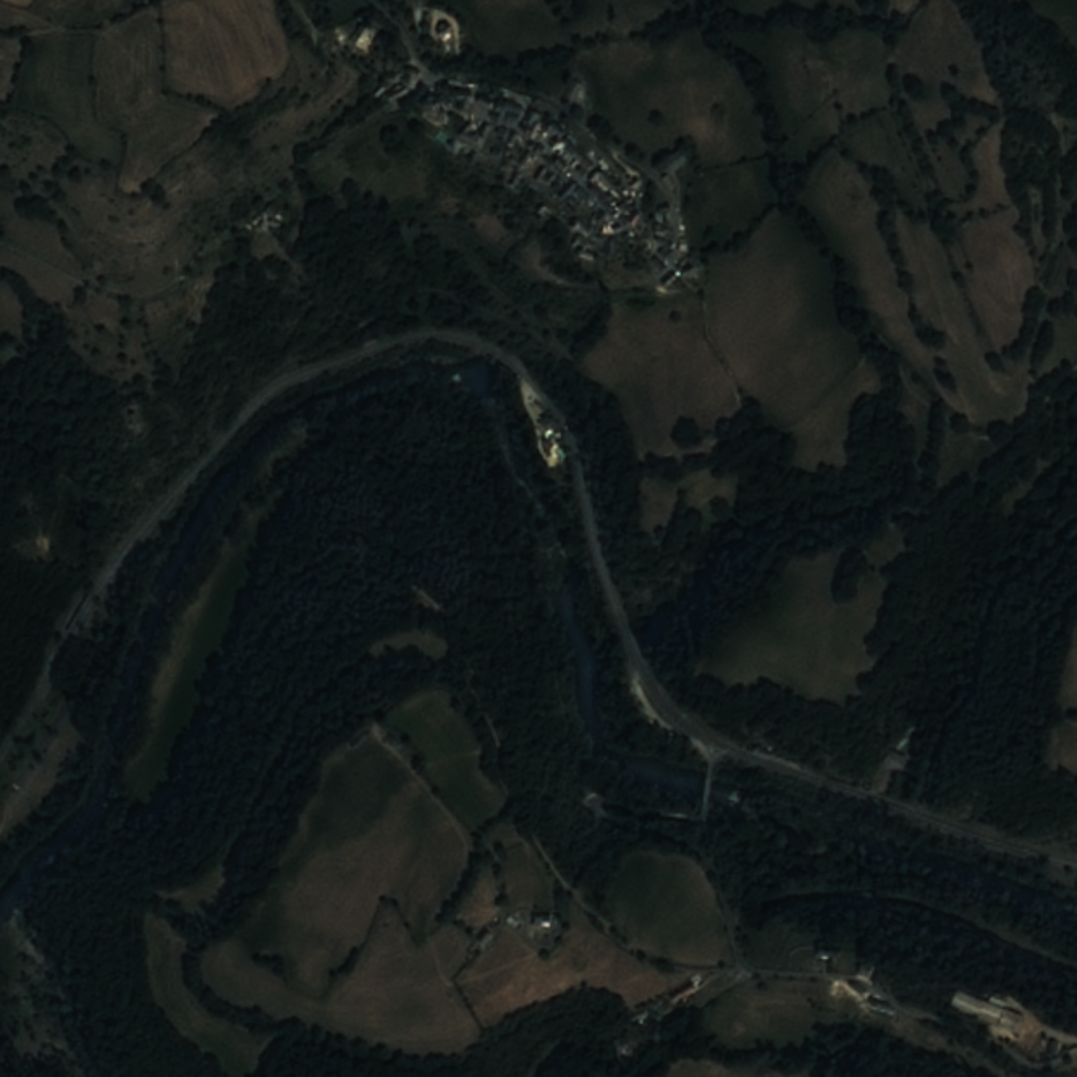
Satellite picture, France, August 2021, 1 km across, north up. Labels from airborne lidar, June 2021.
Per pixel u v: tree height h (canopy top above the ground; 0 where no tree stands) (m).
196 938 14
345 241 18
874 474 18
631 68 0
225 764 17
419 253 15
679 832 7
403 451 18
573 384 18
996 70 10
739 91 0
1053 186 11
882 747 10
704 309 0
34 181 12
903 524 14
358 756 0
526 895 0
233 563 0
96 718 30
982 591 14
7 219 0
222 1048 0
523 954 0
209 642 0
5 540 21
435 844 0
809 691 0
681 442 16
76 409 21
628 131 0
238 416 17
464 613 22
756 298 0
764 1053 21
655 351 0
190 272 13
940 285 0
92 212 0
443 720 0
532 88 12
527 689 10
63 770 5
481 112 0
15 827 0
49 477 30
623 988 0
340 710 12
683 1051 15
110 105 0
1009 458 17
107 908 20
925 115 0
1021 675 16
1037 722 17
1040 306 14
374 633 22
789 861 7
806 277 0
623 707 21
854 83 0
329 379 16
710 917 0
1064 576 20
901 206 9
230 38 0
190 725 0
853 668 0
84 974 20
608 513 20
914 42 0
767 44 0
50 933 17
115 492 7
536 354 8
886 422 15
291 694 20
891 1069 10
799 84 0
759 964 0
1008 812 10
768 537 31
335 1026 0
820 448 0
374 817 0
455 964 0
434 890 0
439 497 19
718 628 30
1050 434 18
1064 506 17
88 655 7
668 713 0
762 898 12
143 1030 18
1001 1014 0
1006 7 16
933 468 17
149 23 0
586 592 33
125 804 13
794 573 0
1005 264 0
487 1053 11
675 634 34
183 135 0
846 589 15
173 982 0
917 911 10
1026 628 16
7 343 20
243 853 22
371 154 0
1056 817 10
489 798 0
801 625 0
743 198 0
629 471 18
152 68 0
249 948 0
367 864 0
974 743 12
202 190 0
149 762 0
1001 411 0
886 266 0
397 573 18
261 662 24
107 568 0
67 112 0
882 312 0
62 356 15
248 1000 0
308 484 16
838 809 26
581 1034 14
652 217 11
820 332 0
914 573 17
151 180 6
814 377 0
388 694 18
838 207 0
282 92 7
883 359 26
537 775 8
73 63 0
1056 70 8
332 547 19
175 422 6
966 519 19
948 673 20
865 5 14
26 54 9
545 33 0
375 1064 14
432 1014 0
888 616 16
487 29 0
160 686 0
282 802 13
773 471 22
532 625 13
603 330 17
